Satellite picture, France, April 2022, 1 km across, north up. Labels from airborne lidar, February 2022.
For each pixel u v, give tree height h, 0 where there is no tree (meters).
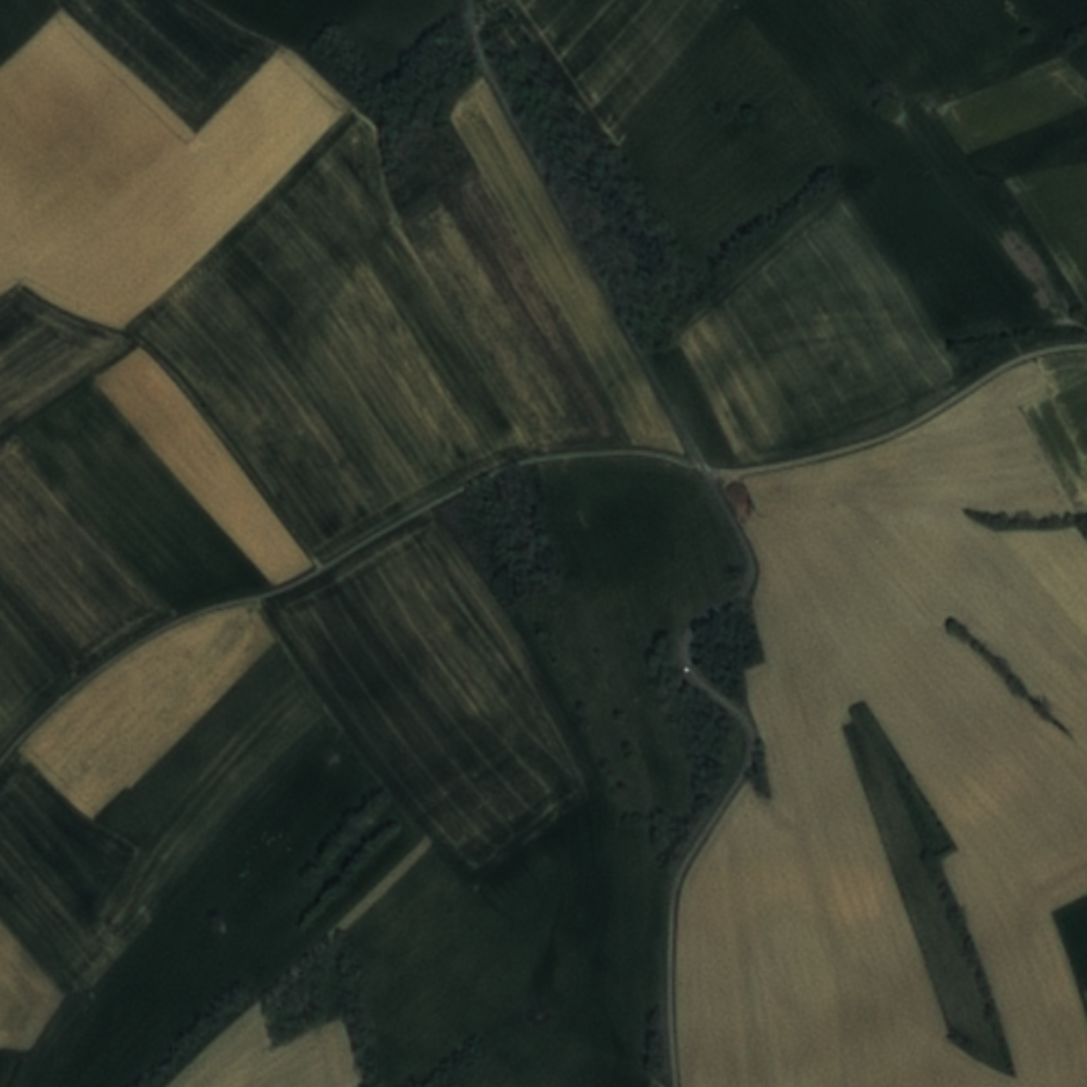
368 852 14
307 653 0
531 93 21
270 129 0
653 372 0
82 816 0
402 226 0
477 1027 0
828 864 0
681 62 0
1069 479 0
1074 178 0
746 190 0
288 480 0
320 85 0
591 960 0
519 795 0
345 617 0
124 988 0
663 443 0
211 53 0
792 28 0
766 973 0
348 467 0
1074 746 0
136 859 0
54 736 0
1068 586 0
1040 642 0
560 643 0
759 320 0
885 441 0
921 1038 0
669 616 0
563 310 0
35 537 0
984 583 0
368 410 0
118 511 0
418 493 0
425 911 0
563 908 0
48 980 0
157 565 0
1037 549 0
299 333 0
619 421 0
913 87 0
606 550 0
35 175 0
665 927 0
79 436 0
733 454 0
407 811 0
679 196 0
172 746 0
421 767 0
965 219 0
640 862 0
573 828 0
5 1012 0
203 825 0
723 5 0
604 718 0
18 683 0
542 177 0
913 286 0
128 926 0
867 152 0
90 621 0
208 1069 0
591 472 0
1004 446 0
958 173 0
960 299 0
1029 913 0
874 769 0
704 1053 0
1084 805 0
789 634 0
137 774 0
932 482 0
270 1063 0
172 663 0
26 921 0
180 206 0
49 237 0
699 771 10
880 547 0
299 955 0
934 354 0
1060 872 0
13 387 0
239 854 0
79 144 0
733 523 0
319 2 0
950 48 0
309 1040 0
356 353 0
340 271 0
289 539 0
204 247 0
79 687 0
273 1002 20
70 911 0
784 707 0
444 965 0
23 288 0
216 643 0
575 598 0
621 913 0
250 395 0
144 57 0
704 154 0
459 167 0
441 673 0
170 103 0
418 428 0
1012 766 0
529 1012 0
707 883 0
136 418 0
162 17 0
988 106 0
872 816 0
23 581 0
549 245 0
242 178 0
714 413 0
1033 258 0
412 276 0
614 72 0
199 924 0
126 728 0
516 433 0
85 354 0
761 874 0
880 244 0
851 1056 0
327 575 0
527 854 0
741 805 0
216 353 0
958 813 0
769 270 0
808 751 0
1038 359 0
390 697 0
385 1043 0
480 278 0
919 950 0
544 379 0
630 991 0
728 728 10
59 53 0
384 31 0
